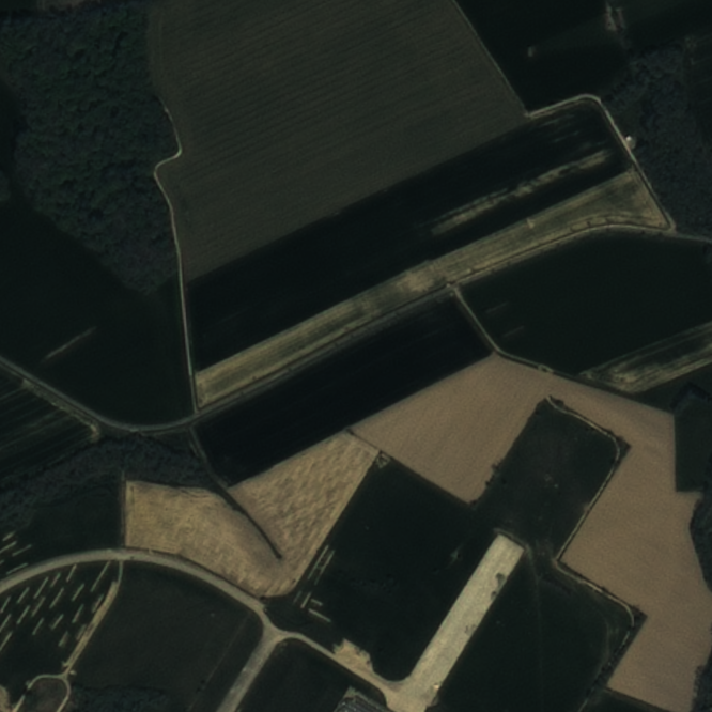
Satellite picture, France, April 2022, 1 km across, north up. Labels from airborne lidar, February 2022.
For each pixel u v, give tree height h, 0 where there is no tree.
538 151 0
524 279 0
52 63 27
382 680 0
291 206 0
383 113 0
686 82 0
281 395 0
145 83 16
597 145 0
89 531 0
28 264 0
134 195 27
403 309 0
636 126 0
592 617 0
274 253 0
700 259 0
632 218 0
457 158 0
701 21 0
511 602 0
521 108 0
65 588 0
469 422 0
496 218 0
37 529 0
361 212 0
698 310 0
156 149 27
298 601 0
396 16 0
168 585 0
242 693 0
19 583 0
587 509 0
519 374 0
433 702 0
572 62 0
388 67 0
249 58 0
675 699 0
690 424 0
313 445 0
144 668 0
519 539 0
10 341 0
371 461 0
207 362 0
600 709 0
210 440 0
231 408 0
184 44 0
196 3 0
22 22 20
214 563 0
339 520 0
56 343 0
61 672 0
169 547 0
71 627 0
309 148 0
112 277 0
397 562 0
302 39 0
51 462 0
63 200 14
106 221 30
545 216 0
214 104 0
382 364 0
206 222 0
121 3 18
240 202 0
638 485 0
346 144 0
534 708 0
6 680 0
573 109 0
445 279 0
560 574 0
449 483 0
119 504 0
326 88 0
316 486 0
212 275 0
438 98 0
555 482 0
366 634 0
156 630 0
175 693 0
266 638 0
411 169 0
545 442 0
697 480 0
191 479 7
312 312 0
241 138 0
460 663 0
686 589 0
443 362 0
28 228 0
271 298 0
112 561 0
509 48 0
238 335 0
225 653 0
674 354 0
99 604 0
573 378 0
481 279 0
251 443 0
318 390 0
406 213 0
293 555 0
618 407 0
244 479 0
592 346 0
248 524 0
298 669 0
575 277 0
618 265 0
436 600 0
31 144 25
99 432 0
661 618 0
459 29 0
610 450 0
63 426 0
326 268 0
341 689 0
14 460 0
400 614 0
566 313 0
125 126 26
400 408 0
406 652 0
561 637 0
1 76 0
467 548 0
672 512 0
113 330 0
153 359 0
